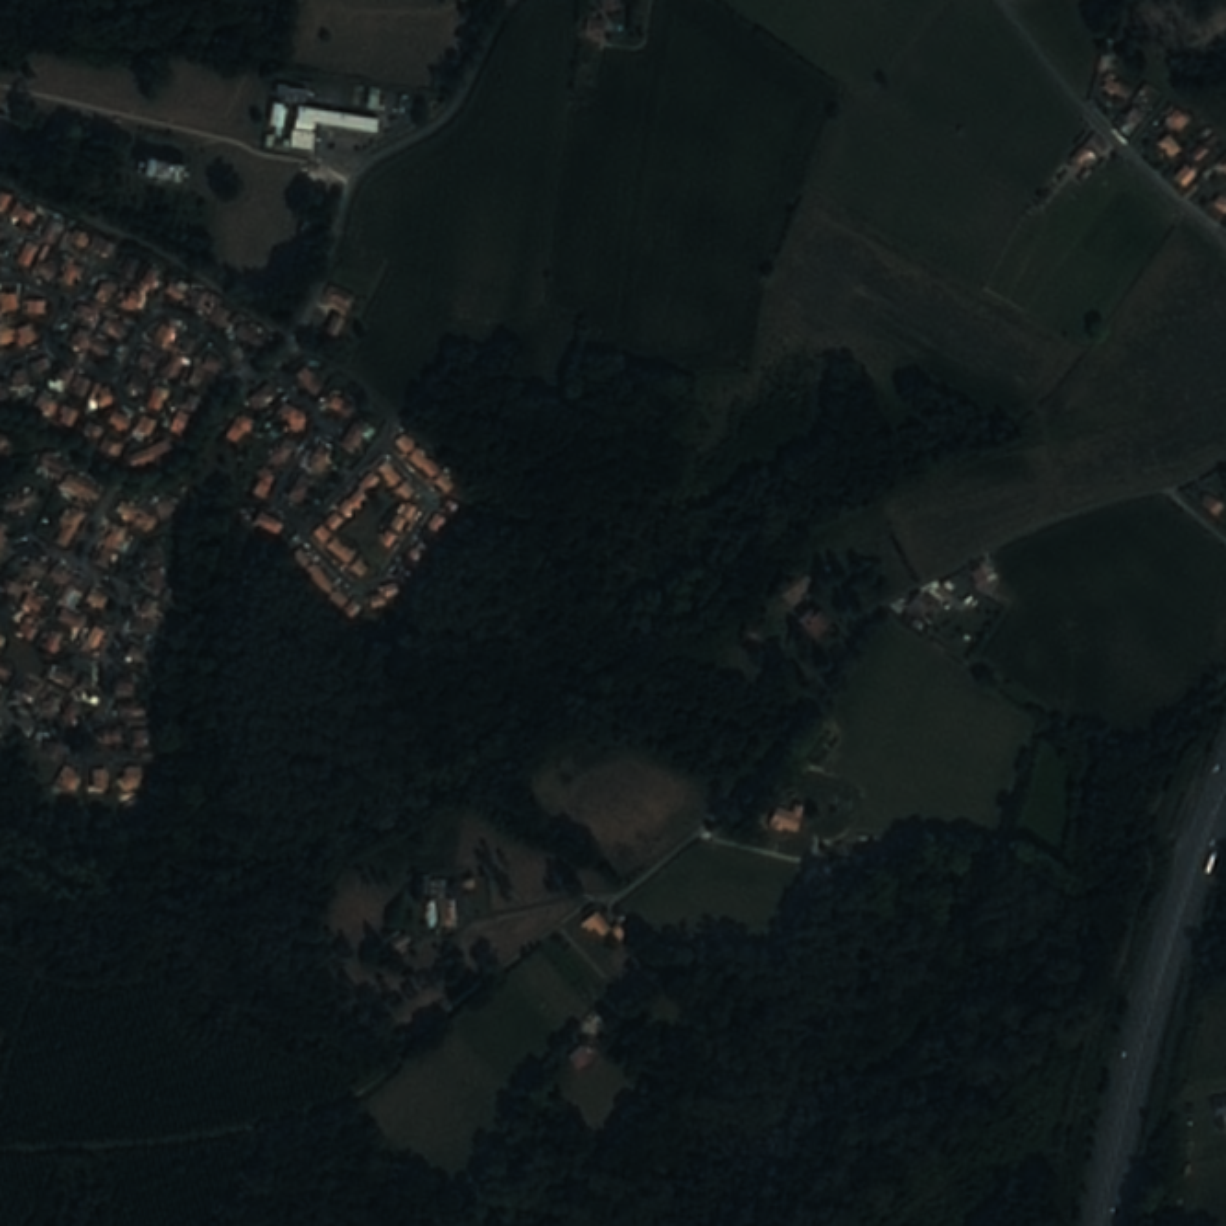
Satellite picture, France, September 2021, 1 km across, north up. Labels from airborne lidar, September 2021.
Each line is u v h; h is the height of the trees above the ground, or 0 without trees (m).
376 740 23
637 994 18
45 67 0
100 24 20
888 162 0
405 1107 0
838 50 0
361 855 14
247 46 22
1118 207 0
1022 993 28
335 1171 23
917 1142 22
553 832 19
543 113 0
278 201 0
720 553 24
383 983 10
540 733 29
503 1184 30
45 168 27
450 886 6
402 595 7
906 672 0
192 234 12
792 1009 29
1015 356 0
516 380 17
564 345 0
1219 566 0
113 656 7
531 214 0
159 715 19
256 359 12
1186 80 20
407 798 27
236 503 10
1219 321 0
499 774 24
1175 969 0
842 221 0
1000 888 33
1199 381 0
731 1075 9
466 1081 0
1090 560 0
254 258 0
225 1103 6
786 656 15
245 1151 7
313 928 25
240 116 0
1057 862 25
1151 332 0
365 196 0
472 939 0
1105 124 0
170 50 10
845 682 19
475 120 0
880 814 0
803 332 0
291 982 24
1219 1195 0
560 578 23
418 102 8
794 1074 30
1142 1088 0
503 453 26
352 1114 16
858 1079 29
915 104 0
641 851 0
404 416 6
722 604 13
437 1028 19
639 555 13
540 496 24
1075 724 9
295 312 10
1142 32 12
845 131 0
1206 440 0
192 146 0
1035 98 0
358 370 0
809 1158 26
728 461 6
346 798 27
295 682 33
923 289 0
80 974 8
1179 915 0
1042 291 0
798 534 24
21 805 19
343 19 0
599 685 27
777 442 6
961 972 25
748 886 0
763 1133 17
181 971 17
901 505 0
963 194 0
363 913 0
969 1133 20
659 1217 19
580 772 0
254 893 22
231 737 28
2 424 15
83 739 15
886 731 0
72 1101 6
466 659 26
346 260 0
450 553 24
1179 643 0
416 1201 24
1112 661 0
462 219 0
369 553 0
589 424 25
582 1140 26
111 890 24
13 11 21
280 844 25
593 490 23
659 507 9
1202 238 0
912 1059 29
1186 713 12
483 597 22
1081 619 0
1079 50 0
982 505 0
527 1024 0
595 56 0
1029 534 0
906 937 35
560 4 0
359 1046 22
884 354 0
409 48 0
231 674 29
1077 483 0
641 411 21
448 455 19
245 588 26
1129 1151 0
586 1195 29
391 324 0
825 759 0
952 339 0
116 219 8
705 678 17
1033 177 0
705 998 25
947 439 10
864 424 23
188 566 15
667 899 0
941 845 26
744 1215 30
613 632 27
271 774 31
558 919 0
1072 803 8
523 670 28
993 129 0
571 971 0
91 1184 9
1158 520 0
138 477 14
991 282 0
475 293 0
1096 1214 0
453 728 25
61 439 14
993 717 0
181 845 27
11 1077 5
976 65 0
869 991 30
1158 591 0
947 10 0
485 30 16
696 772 11
